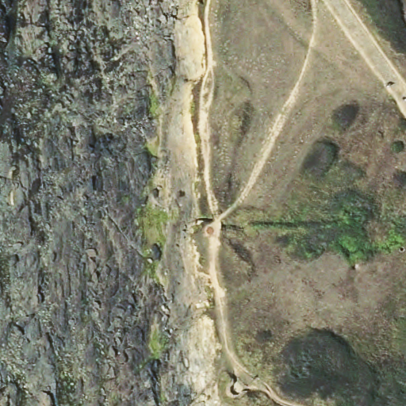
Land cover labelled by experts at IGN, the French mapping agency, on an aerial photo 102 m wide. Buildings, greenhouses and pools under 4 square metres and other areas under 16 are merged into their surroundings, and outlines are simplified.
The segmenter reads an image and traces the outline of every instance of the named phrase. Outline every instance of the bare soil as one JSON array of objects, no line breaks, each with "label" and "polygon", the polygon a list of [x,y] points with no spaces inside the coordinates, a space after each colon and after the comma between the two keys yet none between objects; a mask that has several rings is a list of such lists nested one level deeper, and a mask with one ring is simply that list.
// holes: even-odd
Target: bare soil
[{"label": "bare soil", "polygon": [[249,174],[259,160],[263,141],[270,133],[274,117],[289,97],[290,90],[300,75],[311,36],[311,3],[314,0],[206,0],[209,3],[211,41],[216,60],[213,103],[208,113],[208,124],[211,128],[211,187],[219,205],[219,214],[224,213],[225,209],[232,205],[241,192],[241,187],[249,179]]},{"label": "bare soil", "polygon": [[377,43],[381,44],[385,56],[392,60],[396,70],[400,71],[400,75],[406,81],[406,52],[396,51],[390,41],[377,35],[376,29],[371,27],[373,22],[370,14],[366,13],[365,5],[360,0],[350,0]]},{"label": "bare soil", "polygon": [[[179,62],[173,38],[179,8],[174,6],[170,10],[163,0],[0,0],[0,406],[282,406],[268,393],[262,390],[243,390],[243,385],[236,382],[232,363],[228,360],[225,350],[219,349],[219,343],[216,343],[214,338],[213,320],[206,317],[206,285],[198,276],[200,273],[209,273],[209,241],[203,232],[206,225],[213,222],[213,217],[206,197],[205,174],[198,176],[197,167],[189,167],[184,157],[186,135],[182,125],[181,86],[189,79],[189,68]],[[101,100],[90,105],[84,97],[84,90],[97,90],[95,79],[98,78],[103,81]]]},{"label": "bare soil", "polygon": [[[347,132],[338,132],[333,128],[333,111],[343,105],[358,105],[358,113]],[[370,220],[370,224],[366,225],[368,239],[374,243],[376,236],[396,235],[393,225],[396,220],[398,224],[406,224],[406,117],[396,105],[395,98],[384,89],[382,82],[373,75],[373,71],[366,67],[365,60],[355,51],[343,30],[339,29],[335,17],[331,16],[328,10],[319,17],[316,49],[312,54],[311,67],[306,71],[297,101],[287,121],[284,122],[281,133],[274,141],[265,167],[252,186],[246,203],[233,209],[220,225],[217,257],[222,279],[219,282],[224,287],[227,298],[230,338],[233,335],[255,338],[254,343],[244,344],[244,350],[251,354],[255,354],[257,349],[262,350],[262,362],[273,365],[273,385],[276,385],[285,374],[290,373],[289,365],[284,363],[282,349],[287,346],[290,339],[304,335],[312,327],[328,328],[343,338],[346,338],[350,328],[370,331],[373,324],[371,317],[376,317],[381,301],[389,295],[392,285],[400,281],[406,284],[406,244],[395,251],[374,255],[371,262],[355,265],[347,265],[343,254],[339,252],[325,252],[319,259],[304,262],[293,259],[292,252],[295,251],[295,247],[290,244],[281,246],[274,243],[276,236],[287,235],[285,228],[252,227],[251,222],[279,220],[282,213],[281,195],[292,181],[293,174],[300,170],[306,155],[311,152],[312,143],[320,138],[330,138],[333,143],[338,144],[339,154],[366,171],[365,178],[355,182],[357,189],[366,195],[373,195],[377,205],[381,206],[381,222],[377,224]]]}]

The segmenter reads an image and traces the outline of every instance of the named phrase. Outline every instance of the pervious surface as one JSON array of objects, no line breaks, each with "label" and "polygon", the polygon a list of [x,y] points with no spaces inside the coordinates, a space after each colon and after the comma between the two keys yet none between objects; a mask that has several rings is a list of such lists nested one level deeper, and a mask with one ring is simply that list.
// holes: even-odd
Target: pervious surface
[{"label": "pervious surface", "polygon": [[213,103],[216,60],[211,41],[209,3],[206,0],[163,0],[170,10],[174,6],[179,8],[173,38],[179,62],[189,68],[189,79],[181,86],[182,125],[186,135],[184,157],[189,167],[197,167],[198,176],[205,174],[206,197],[213,217],[213,222],[206,225],[203,232],[209,241],[209,273],[200,273],[198,276],[206,285],[206,317],[213,320],[214,338],[216,343],[219,343],[219,349],[225,350],[228,360],[232,363],[236,382],[243,385],[243,390],[262,390],[268,393],[282,406],[335,406],[335,401],[330,398],[322,400],[319,393],[312,393],[312,396],[298,401],[287,400],[276,385],[273,385],[273,365],[262,362],[262,350],[257,349],[255,354],[251,354],[244,350],[244,344],[254,343],[255,338],[233,335],[230,338],[227,298],[224,287],[219,282],[222,279],[217,257],[220,225],[233,209],[246,203],[252,186],[265,167],[274,141],[281,133],[284,122],[287,121],[297,101],[306,71],[311,67],[312,54],[316,49],[319,17],[328,10],[331,16],[335,17],[339,29],[343,30],[355,51],[365,60],[366,67],[373,71],[373,75],[382,82],[384,89],[395,98],[396,105],[406,117],[406,81],[400,75],[400,71],[396,70],[392,60],[385,56],[381,44],[377,43],[350,0],[314,0],[311,3],[311,36],[300,75],[290,90],[289,97],[274,117],[270,133],[263,141],[259,160],[249,174],[249,179],[241,187],[241,192],[232,205],[225,209],[224,213],[219,214],[219,205],[211,187],[211,128],[208,124],[208,113]]}]

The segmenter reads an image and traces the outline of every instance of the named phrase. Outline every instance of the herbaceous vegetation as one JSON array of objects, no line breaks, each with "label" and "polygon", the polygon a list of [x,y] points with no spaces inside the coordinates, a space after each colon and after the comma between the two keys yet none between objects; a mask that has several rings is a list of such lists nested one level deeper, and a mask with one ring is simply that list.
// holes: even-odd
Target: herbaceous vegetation
[{"label": "herbaceous vegetation", "polygon": [[360,0],[365,5],[366,13],[370,14],[373,22],[371,27],[376,29],[377,35],[390,41],[396,51],[406,52],[406,0]]},{"label": "herbaceous vegetation", "polygon": [[338,132],[347,132],[358,113],[358,105],[343,105],[333,111],[333,128]]},{"label": "herbaceous vegetation", "polygon": [[101,100],[103,81],[98,78],[95,79],[97,90],[84,90],[84,97],[90,105]]},{"label": "herbaceous vegetation", "polygon": [[287,400],[298,401],[312,396],[312,393],[319,393],[322,400],[330,398],[335,401],[335,406],[406,406],[406,284],[400,281],[392,285],[389,295],[381,301],[376,317],[371,317],[373,324],[370,331],[350,328],[346,338],[343,338],[328,328],[312,327],[304,335],[290,339],[287,346],[282,349],[284,363],[289,365],[290,373],[285,374],[276,385]]},{"label": "herbaceous vegetation", "polygon": [[300,170],[293,174],[292,181],[281,195],[282,213],[279,220],[251,222],[252,227],[285,228],[287,235],[276,236],[274,243],[281,246],[290,244],[295,247],[295,251],[292,252],[293,259],[304,262],[319,259],[325,252],[339,252],[343,254],[347,265],[355,265],[371,262],[374,255],[395,251],[406,244],[406,224],[398,224],[396,220],[393,225],[396,235],[376,236],[374,243],[368,239],[366,225],[370,224],[370,220],[377,224],[381,222],[381,206],[377,205],[373,195],[366,195],[357,189],[355,182],[365,178],[366,171],[339,154],[338,144],[333,143],[330,138],[320,138],[312,143],[311,152],[306,155]]}]

